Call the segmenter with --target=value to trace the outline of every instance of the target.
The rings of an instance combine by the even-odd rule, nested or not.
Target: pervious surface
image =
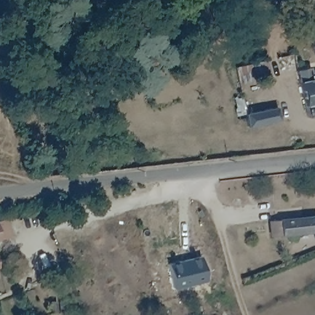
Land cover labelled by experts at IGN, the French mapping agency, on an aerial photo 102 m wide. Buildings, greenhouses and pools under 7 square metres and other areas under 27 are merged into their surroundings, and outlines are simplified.
[[[226,228],[229,225],[268,219],[272,214],[268,212],[271,204],[258,205],[256,202],[246,204],[242,208],[224,207],[215,192],[215,183],[218,181],[214,176],[210,176],[146,182],[144,188],[137,191],[130,185],[113,189],[113,196],[116,199],[111,203],[111,208],[101,217],[92,213],[90,208],[86,209],[85,224],[97,229],[100,226],[98,220],[107,220],[114,215],[145,205],[176,201],[180,207],[180,228],[183,228],[182,247],[187,252],[189,199],[197,199],[212,214],[228,267],[231,288],[241,283],[241,278],[241,274],[236,271]]]
[[[271,58],[277,55],[289,46],[285,42],[283,27],[273,25],[268,42],[263,46]]]
[[[245,87],[242,90],[245,92],[242,98],[249,103],[247,111],[250,113],[278,106],[284,118],[290,119],[290,128],[294,132],[315,132],[315,118],[308,117],[304,110],[303,89],[298,84],[297,69],[295,66],[285,64],[285,70],[279,70],[279,76],[257,79],[258,86]]]
[[[5,240],[0,246],[0,262],[7,260],[12,253],[16,253],[21,260],[27,257],[28,261],[27,272],[23,272],[20,282],[12,285],[10,292],[0,294],[0,315],[10,315],[17,295],[22,292],[26,294],[34,289],[33,283],[38,282],[44,273],[54,271],[58,267],[71,267],[75,265],[73,255],[58,244],[54,230],[76,229],[69,223],[59,224],[55,228],[53,226],[48,230],[41,226],[39,220],[12,220],[15,233],[20,233],[16,237],[17,245]]]

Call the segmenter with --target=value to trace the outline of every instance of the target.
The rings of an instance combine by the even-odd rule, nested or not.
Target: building
[[[16,237],[20,233],[15,233],[12,220],[0,221],[0,246],[5,240],[17,245]]]
[[[315,215],[278,221],[272,214],[268,219],[269,234],[315,235]]]
[[[305,65],[297,69],[298,84],[303,89],[304,110],[308,117],[315,118],[315,62],[310,64],[309,60],[306,60]]]
[[[209,282],[207,262],[199,255],[171,267],[175,273],[173,283],[177,293],[182,290],[194,290],[196,285]]]
[[[269,126],[282,122],[284,118],[278,106],[250,113],[247,111],[249,103],[242,98],[236,98],[237,116],[241,116],[242,121],[246,121],[249,127]]]

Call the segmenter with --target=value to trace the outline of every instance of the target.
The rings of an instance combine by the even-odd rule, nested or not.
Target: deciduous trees
[[[16,253],[12,253],[7,260],[0,262],[0,294],[10,292],[12,285],[20,282],[23,272],[27,272],[28,261],[27,257],[21,260]]]
[[[96,188],[96,191],[89,193],[89,197],[81,199],[69,196],[68,191],[64,191],[59,194],[57,205],[38,199],[36,202],[6,208],[0,213],[0,221],[12,220],[39,220],[41,226],[48,230],[53,226],[55,228],[59,224],[69,223],[76,229],[85,224],[86,209],[90,208],[92,213],[101,217],[111,208],[111,203],[116,199],[113,196],[113,189],[112,186]]]
[[[10,315],[43,315],[32,305],[26,294],[22,292],[17,295]]]
[[[315,196],[315,170],[294,173],[288,187],[294,188],[298,194]]]
[[[313,281],[308,278],[303,288],[288,290],[287,293],[277,295],[266,303],[256,305],[257,309],[268,309],[278,301],[294,300],[299,295],[315,293],[315,279]]]
[[[180,26],[185,20],[199,25],[201,31],[196,36],[183,39],[180,46],[173,47],[169,41],[181,33]],[[70,33],[79,30],[82,21],[89,23],[90,30],[80,37],[73,62],[57,62],[54,54],[68,43]],[[132,162],[142,164],[160,161],[161,155],[164,155],[164,150],[161,149],[146,149],[145,146],[138,148],[139,139],[134,133],[129,132],[126,116],[118,110],[119,102],[132,100],[138,94],[142,94],[145,101],[148,101],[149,98],[156,98],[172,79],[180,81],[181,84],[188,84],[193,80],[193,74],[199,65],[210,69],[226,58],[230,59],[234,68],[239,68],[252,65],[252,68],[257,68],[261,66],[260,62],[267,62],[271,58],[263,46],[268,42],[273,25],[283,27],[285,42],[289,46],[277,55],[279,58],[292,55],[297,60],[295,66],[297,69],[305,65],[306,60],[309,60],[310,64],[315,62],[315,0],[0,0],[0,79],[9,80],[11,85],[18,89],[16,95],[9,100],[0,98],[0,121],[5,122],[6,129],[11,126],[14,128],[18,145],[30,142],[32,132],[26,128],[26,124],[27,118],[32,114],[41,117],[46,123],[47,133],[57,138],[52,146],[46,143],[39,146],[34,156],[34,171],[28,176],[32,180],[62,175],[68,178],[69,182],[86,181],[82,173],[96,175],[101,171],[102,167],[107,166],[122,167]]]
[[[196,297],[196,298],[182,298],[182,299],[181,299],[181,300],[182,300],[182,303],[183,303],[183,304],[185,304],[186,306],[187,306],[187,308],[188,308],[188,313],[189,313],[189,314],[191,314],[191,315],[201,315],[202,313],[201,313],[201,301],[199,301],[198,295],[197,295],[197,297]]]
[[[271,196],[273,193],[272,176],[249,178],[249,181],[242,183],[242,188],[253,198],[258,199]]]
[[[54,298],[65,303],[68,315],[89,315],[89,305],[82,303],[79,287],[74,281],[74,269],[71,267],[58,267],[54,271],[44,273],[38,282],[42,288],[54,290]]]

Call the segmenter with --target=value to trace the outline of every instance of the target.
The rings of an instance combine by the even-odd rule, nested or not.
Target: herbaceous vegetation
[[[246,204],[256,202],[258,205],[271,204],[268,212],[272,214],[278,221],[315,215],[315,196],[298,194],[294,188],[288,187],[294,173],[272,176],[273,193],[271,196],[258,199],[253,198],[242,188],[242,183],[249,181],[249,178],[218,181],[215,183],[215,192],[224,207],[242,208]]]
[[[32,305],[43,315],[68,315],[65,303],[54,298],[54,290],[42,288],[38,282],[33,283],[34,289],[26,294]]]
[[[169,41],[173,47],[180,46],[183,39],[196,36],[201,31],[199,25],[185,20],[180,26],[181,33]]]
[[[180,81],[172,79],[156,98],[149,98],[148,101],[145,101],[142,94],[138,94],[132,100],[119,102],[118,110],[126,116],[129,132],[134,133],[139,139],[138,148],[145,146],[146,149],[161,149],[164,150],[164,155],[161,155],[160,161],[142,164],[132,162],[122,167],[107,166],[102,167],[101,171],[315,148],[315,132],[294,132],[290,128],[290,119],[284,118],[282,122],[269,126],[249,127],[246,121],[242,121],[241,116],[237,116],[236,98],[233,97],[235,91],[231,89],[226,75],[217,79],[215,71],[210,69],[199,65],[193,74],[193,80],[188,84],[181,84]]]
[[[315,235],[269,234],[268,219],[229,225],[226,228],[236,271],[241,274],[241,278],[253,277],[269,268],[282,265],[279,253],[284,249],[294,253],[294,258],[315,251]]]
[[[6,208],[36,202],[38,199],[34,196],[5,198],[4,201],[0,199],[0,213]]]
[[[73,62],[80,37],[90,30],[89,23],[82,21],[79,30],[70,33],[68,43],[54,54],[57,62]]]
[[[315,315],[315,293],[299,295],[294,300],[278,301],[268,309],[257,309],[256,305],[266,303],[277,295],[287,293],[288,290],[303,288],[308,278],[313,281],[315,279],[315,258],[251,285],[241,283],[231,288],[228,267],[212,214],[197,199],[189,199],[187,252],[182,247],[183,228],[180,228],[180,207],[176,201],[145,205],[114,215],[107,220],[98,220],[100,226],[97,229],[85,224],[76,229],[54,230],[58,244],[73,255],[75,265],[71,267],[74,269],[74,281],[79,287],[82,303],[89,305],[89,315],[191,315],[191,314],[189,314],[189,313],[188,313],[188,308],[187,308],[187,306],[186,306],[185,304],[183,304],[183,303],[182,303],[182,300],[181,300],[181,299],[182,299],[182,298],[196,298],[196,297],[197,297],[197,295],[198,295],[199,301],[201,301],[201,313],[202,313],[201,315]],[[194,290],[182,290],[177,293],[173,283],[175,273],[171,267],[199,255],[207,262],[209,282],[196,285]]]
[[[0,79],[0,98],[9,100],[16,95],[18,89],[11,85],[9,80]]]
[[[46,123],[41,117],[32,114],[27,118],[26,124],[26,128],[32,132],[30,142],[18,145],[14,128],[11,126],[6,129],[5,122],[0,121],[0,188],[17,187],[18,183],[30,183],[32,180],[28,176],[34,171],[34,156],[39,146],[46,143],[52,146],[57,138],[47,133]]]

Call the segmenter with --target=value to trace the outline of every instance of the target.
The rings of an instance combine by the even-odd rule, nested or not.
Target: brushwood
[[[226,75],[231,89],[235,91],[233,97],[236,98],[242,98],[245,92],[242,90],[241,87],[237,87],[237,81],[240,81],[239,68],[234,68],[230,59],[226,58],[210,69],[215,71],[217,79]]]
[[[241,278],[241,283],[251,285],[315,258],[315,251],[294,258],[294,253],[284,249],[279,253],[282,265],[269,268],[253,277]]]

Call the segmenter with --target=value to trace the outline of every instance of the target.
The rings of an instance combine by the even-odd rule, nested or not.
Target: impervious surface
[[[4,201],[5,198],[34,196],[38,199],[57,205],[59,194],[64,191],[68,191],[69,196],[81,199],[89,197],[89,193],[96,191],[96,188],[112,186],[113,189],[130,185],[137,191],[144,188],[146,182],[210,176],[214,176],[218,181],[249,178],[272,176],[294,173],[315,170],[315,148],[101,171],[96,175],[82,173],[86,181],[69,182],[68,178],[62,175],[32,180],[30,183],[18,183],[17,187],[0,188],[0,199]]]
[[[237,81],[237,87],[241,87],[242,90],[245,87],[258,86],[257,79],[279,76],[279,70],[285,70],[285,64],[295,66],[297,60],[292,55],[279,58],[277,55],[271,58],[267,62],[260,62],[261,66],[257,68],[252,68],[252,65],[239,68],[240,81]]]

